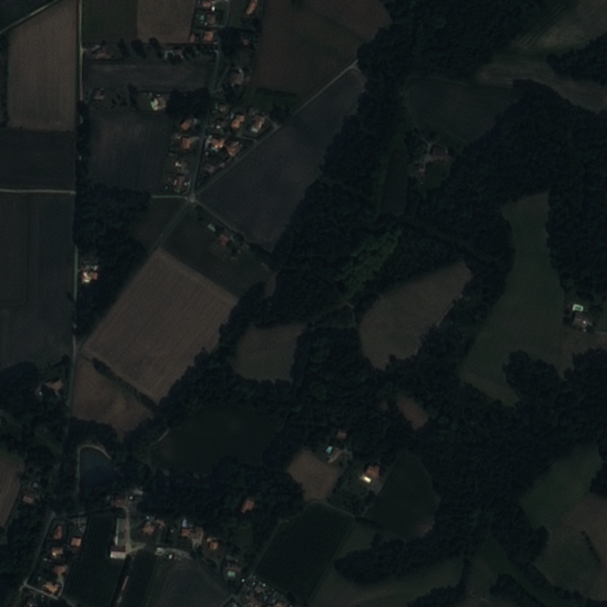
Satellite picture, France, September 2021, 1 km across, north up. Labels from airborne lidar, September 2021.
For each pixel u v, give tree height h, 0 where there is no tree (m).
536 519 0
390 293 0
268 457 15
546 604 0
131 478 25
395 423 18
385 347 0
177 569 0
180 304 0
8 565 28
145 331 0
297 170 0
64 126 0
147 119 0
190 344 0
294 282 23
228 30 6
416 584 0
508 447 25
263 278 0
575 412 32
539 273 0
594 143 18
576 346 0
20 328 0
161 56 10
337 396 28
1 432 7
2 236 0
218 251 0
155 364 0
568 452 22
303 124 0
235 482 13
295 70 0
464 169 20
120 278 23
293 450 16
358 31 0
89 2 0
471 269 17
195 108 16
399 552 20
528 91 14
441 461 23
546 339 0
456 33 21
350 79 0
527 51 0
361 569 25
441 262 18
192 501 26
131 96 16
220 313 0
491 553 0
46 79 0
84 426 14
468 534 21
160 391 0
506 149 14
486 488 21
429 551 21
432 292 0
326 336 19
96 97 0
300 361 18
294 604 16
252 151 0
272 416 10
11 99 0
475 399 24
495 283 25
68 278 0
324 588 0
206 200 0
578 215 6
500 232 27
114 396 0
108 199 26
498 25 17
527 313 0
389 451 19
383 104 18
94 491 26
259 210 0
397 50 17
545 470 20
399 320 0
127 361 0
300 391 23
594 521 0
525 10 22
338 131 0
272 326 16
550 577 0
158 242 0
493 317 0
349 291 27
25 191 0
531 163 12
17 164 0
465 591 15
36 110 0
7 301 0
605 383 31
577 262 25
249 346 0
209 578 0
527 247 0
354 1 0
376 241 21
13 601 25
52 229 0
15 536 18
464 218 25
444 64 17
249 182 0
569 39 0
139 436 17
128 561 8
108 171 0
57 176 0
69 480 22
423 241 14
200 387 19
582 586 0
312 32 0
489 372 0
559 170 21
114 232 16
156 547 0
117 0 0
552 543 0
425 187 0
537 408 28
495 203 19
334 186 0
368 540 0
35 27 0
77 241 17
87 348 0
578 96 0
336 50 0
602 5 0
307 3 0
